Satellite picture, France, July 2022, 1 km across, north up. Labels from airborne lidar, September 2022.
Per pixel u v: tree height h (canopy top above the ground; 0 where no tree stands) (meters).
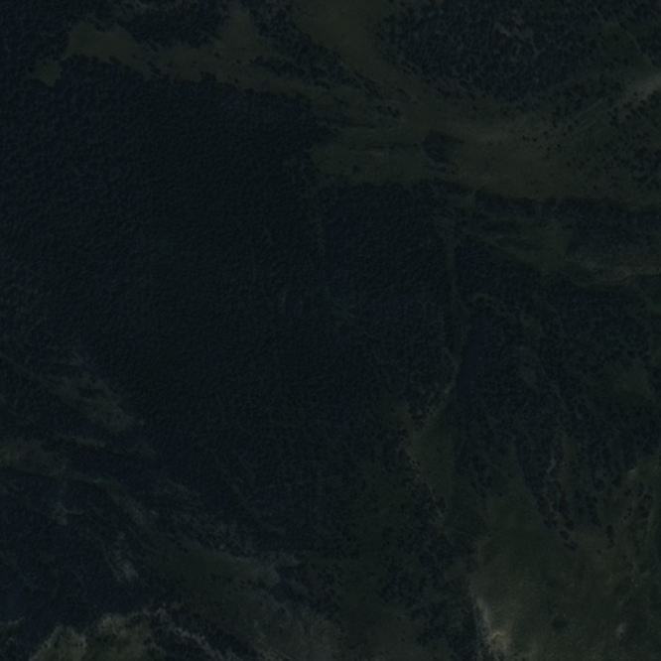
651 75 0
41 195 22
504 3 13
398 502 0
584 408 10
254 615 0
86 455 7
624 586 0
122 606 6
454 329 6
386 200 13
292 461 8
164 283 11
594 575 0
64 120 22
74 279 15
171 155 15
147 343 13
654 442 10
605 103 0
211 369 10
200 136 18
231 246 10
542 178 0
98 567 11
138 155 19
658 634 0
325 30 0
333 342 9
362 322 9
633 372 0
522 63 15
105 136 28
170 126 16
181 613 9
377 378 7
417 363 12
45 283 11
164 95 14
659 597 0
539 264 0
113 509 8
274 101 10
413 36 12
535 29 9
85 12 10
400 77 0
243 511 9
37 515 7
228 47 0
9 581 9
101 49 0
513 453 0
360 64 0
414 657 0
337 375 13
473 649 7
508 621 0
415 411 12
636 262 0
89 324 9
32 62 11
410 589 8
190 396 8
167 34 18
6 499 6
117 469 10
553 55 13
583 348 0
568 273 0
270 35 9
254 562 0
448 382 10
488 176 0
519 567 0
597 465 10
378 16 0
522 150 0
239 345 11
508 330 11
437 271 15
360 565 0
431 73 10
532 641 0
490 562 0
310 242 11
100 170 31
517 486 0
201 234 13
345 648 0
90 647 6
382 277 18
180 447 10
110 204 25
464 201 0
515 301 9
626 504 0
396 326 11
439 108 0
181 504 7
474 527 0
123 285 17
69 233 17
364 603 0
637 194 0
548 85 11
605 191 0
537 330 0
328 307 11
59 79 0
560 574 0
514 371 10
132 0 8
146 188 28
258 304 7
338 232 13
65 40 20
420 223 11
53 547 9
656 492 0
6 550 10
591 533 0
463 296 8
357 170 9
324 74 12
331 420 8
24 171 25
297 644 0
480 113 0
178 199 11
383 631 0
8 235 11
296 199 13
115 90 29
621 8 17
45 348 14
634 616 0
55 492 6
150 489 7
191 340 9
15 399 20
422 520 6
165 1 12
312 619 0
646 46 9
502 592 0
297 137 9
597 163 0
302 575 10
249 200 15
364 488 6
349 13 0
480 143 0
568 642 0
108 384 10
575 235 0
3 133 29
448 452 0
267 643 0
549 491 7
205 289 9
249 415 9
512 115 0
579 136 0
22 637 7
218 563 0
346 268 12
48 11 29
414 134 0
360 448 8
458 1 14
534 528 0
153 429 12
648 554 0
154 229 8
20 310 17
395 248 14
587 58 6
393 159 0
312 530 7
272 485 7
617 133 0
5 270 14
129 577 0
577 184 0
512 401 10
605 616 0
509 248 0
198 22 12
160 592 9
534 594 0
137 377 11
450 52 14
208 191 11
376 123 0
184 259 10
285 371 10
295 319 10
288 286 10
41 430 9
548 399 12
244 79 0
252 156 18
